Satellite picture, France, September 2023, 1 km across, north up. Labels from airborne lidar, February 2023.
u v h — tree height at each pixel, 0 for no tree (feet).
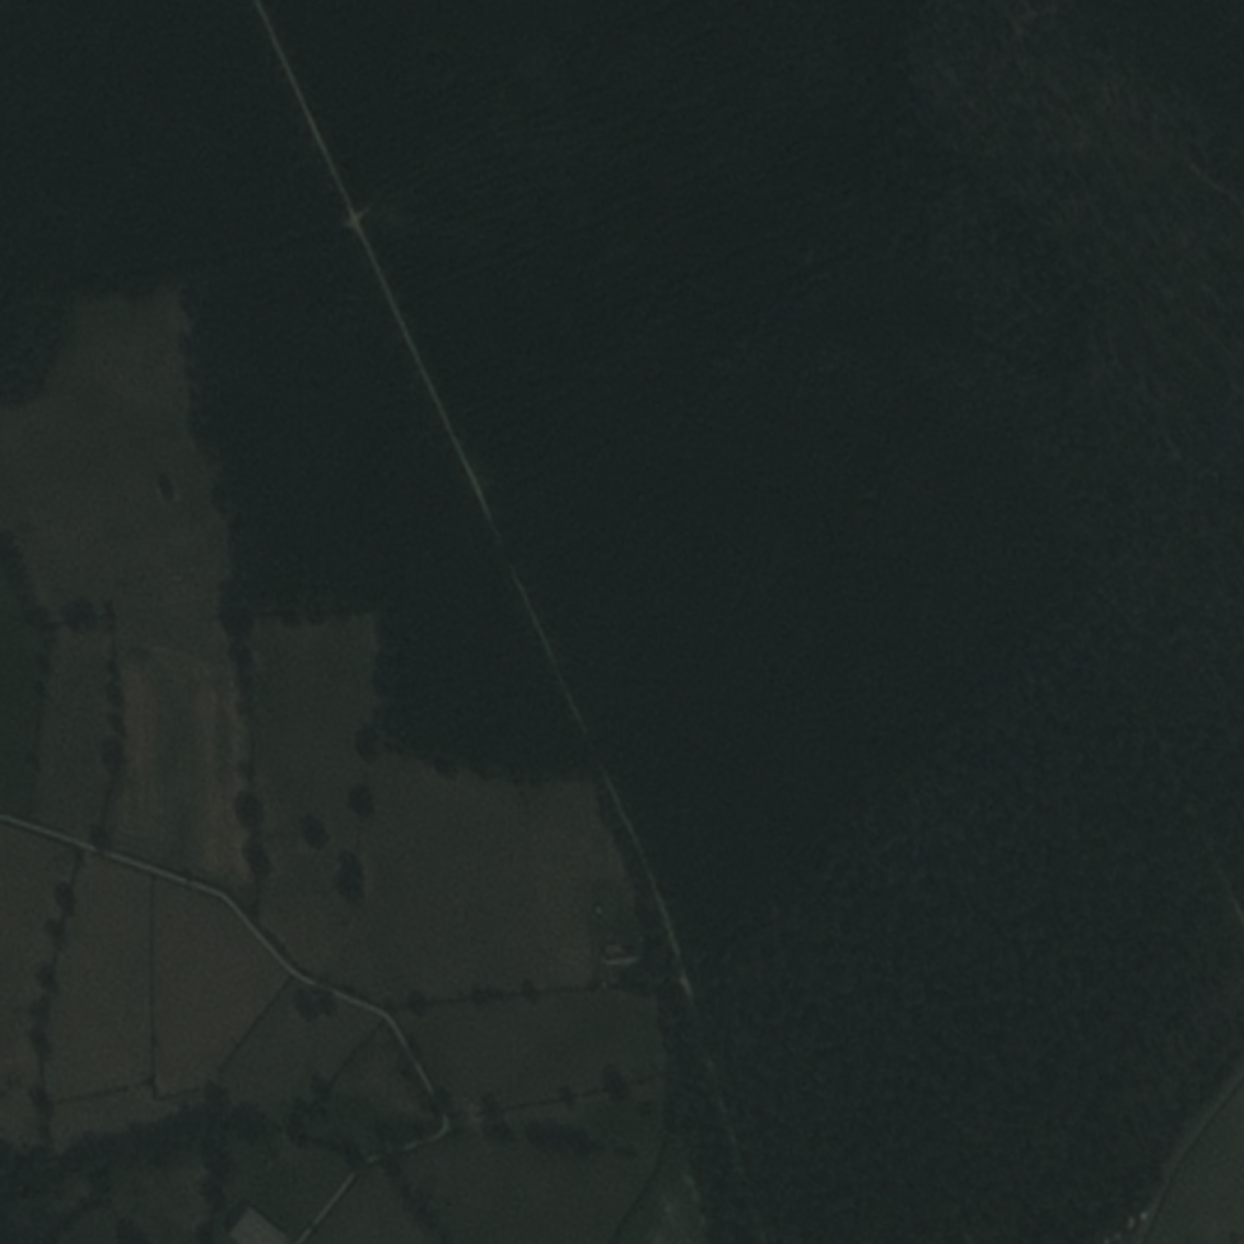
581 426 18
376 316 38
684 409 29
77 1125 0
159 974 0
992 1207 100
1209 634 95
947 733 55
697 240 20
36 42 54
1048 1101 82
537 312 23
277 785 0
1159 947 96
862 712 51
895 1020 94
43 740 0
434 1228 39
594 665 37
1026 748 102
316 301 41
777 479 52
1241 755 95
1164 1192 0
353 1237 0
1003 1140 104
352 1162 41
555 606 41
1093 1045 85
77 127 49
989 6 78
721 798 49
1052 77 82
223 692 0
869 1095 89
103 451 0
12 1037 0
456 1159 0
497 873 0
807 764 49
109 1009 0
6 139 51
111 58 54
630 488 44
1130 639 101
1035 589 54
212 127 39
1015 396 34
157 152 39
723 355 43
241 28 51
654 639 47
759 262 19
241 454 51
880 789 54
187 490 0
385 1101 0
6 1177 58
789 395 52
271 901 0
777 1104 100
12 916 0
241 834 0
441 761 62
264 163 51
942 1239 66
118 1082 0
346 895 37
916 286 65
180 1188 0
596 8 22
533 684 44
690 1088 81
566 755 48
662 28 20
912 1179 102
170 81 50
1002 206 83
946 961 99
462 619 48
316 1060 0
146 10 56
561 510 40
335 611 35
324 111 19
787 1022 99
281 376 44
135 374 0
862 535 51
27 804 0
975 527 41
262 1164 0
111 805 0
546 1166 0
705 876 51
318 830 46
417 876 0
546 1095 0
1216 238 92
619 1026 0
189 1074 0
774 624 45
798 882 83
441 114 23
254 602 43
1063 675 93
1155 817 103
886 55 26
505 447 19
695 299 18
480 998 37
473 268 17
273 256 52
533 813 0
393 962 0
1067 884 88
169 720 0
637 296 18
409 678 46
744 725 44
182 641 0
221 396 43
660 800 45
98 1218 0
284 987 0
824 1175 100
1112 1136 90
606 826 33
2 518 0
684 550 45
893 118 30
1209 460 97
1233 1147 0
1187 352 110
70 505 0
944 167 27
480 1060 0
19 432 0
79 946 0
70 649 0
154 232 38
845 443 41
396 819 0
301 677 0
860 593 43
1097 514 54
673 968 33
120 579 0
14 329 28
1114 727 106
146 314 0
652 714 44
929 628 53
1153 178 0
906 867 101
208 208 39
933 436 53
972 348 31
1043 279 87
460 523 50
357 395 50
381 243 19
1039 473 41
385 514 55
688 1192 0
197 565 0
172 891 0
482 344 19
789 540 44
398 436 47
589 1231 0
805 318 55
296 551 50
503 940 0
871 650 34
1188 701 101
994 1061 90
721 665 39
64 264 41
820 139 24
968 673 57
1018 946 92
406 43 23
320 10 20
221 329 51
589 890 0
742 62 19
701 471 44
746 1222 70
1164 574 89
